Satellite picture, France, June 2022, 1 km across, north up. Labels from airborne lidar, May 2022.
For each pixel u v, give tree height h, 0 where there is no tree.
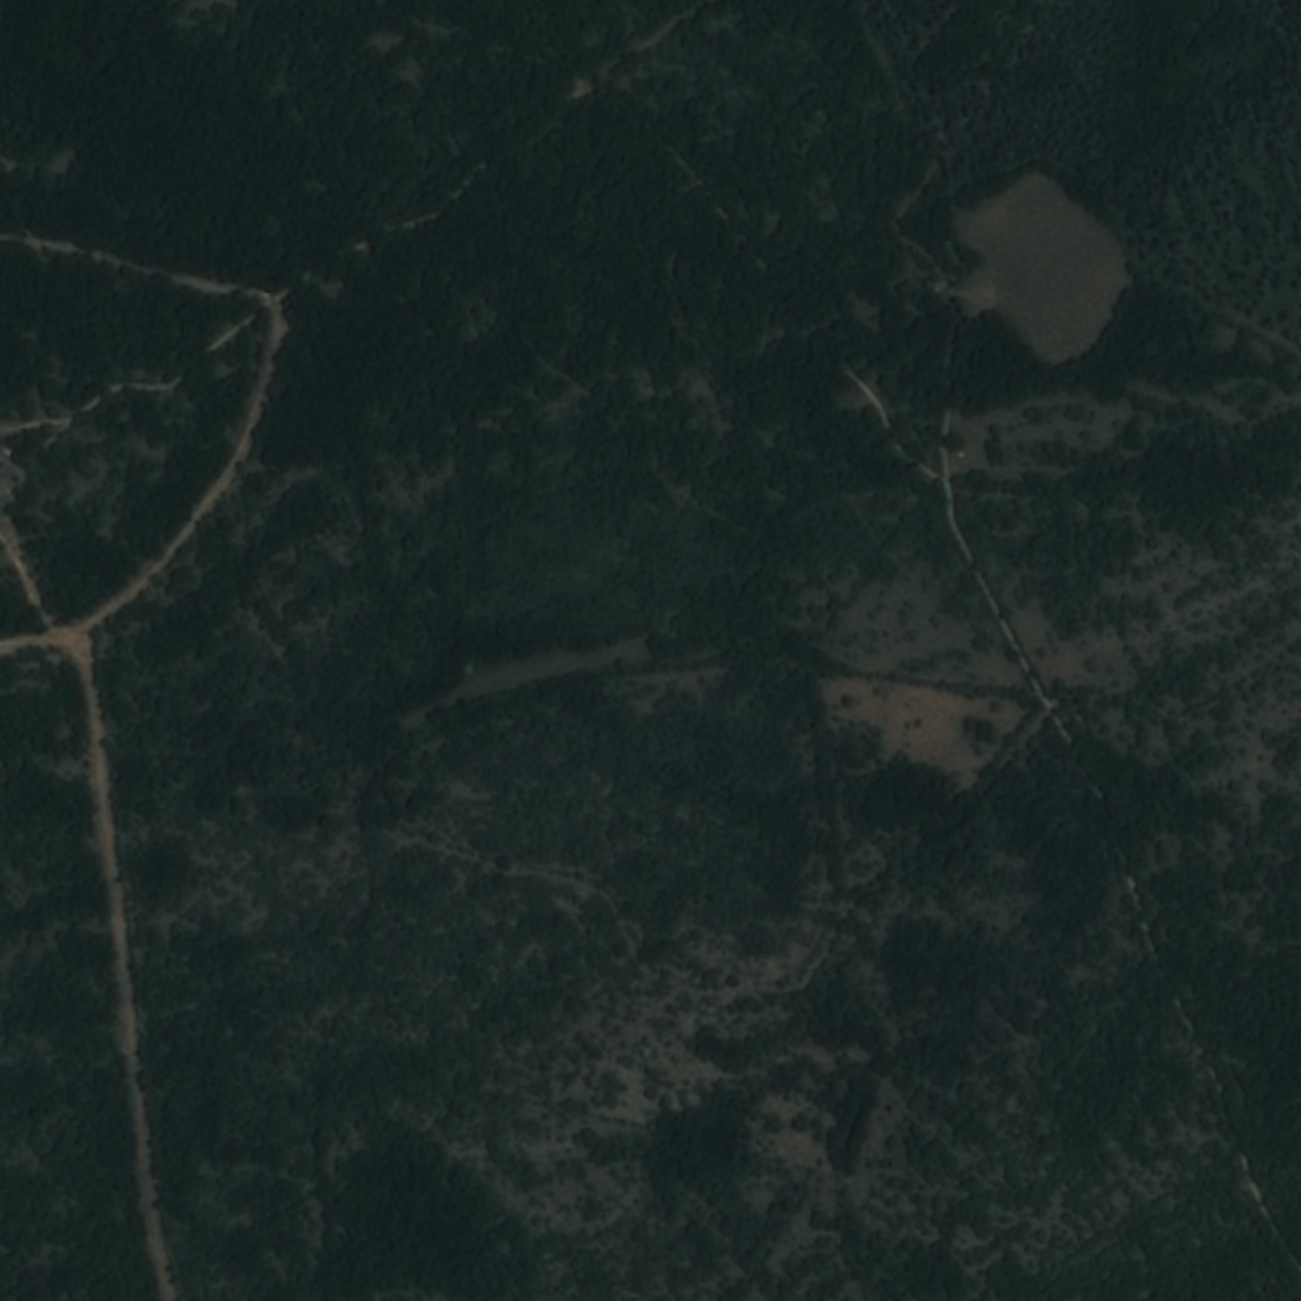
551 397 6
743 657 9
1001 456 7
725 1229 9
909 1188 6
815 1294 7
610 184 9
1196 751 7
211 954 10
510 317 8
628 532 8
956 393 11
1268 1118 8
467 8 11
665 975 8
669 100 7
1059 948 8
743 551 8
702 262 12
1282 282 10
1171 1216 7
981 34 9
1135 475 8
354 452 7
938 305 13
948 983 10
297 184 11
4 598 8
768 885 10
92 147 14
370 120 10
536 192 11
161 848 11
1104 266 0
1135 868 8
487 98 9
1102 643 0
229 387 9
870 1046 10
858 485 8
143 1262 8
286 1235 9
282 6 10
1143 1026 11
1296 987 5
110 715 6
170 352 8
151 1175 9
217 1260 6
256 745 10
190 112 9
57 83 14
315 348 10
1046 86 8
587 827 6
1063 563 7
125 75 14
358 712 12
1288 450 8
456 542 7
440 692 9
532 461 10
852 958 7
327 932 7
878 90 7
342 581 10
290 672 6
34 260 11
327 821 10
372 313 9
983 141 16
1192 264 17
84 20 8
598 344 9
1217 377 9
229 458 9
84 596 7
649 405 8
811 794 8
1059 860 9
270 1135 8
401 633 9
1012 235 0
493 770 6
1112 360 13
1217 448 8
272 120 8
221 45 7
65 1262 7
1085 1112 8
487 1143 6
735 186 10
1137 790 8
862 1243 8
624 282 10
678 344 8
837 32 14
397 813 9
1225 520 7
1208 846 6
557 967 10
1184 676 7
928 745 0
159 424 10
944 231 9
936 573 6
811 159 9
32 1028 9
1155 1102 8
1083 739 7
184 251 10
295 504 10
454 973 6
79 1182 8
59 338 11
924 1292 9
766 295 12
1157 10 14
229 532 11
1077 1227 6
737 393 6
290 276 9
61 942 7
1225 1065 6
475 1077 7
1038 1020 7
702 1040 10
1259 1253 10
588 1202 6
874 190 11
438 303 12
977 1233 7
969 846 10
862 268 10
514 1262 10
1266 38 10
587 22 10
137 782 10
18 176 8
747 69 9
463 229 11
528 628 6
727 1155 6
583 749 5
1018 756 10
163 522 9
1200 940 6
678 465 8
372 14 12
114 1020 8
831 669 6
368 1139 6
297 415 12
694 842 7
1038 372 13
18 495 9
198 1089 6
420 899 6
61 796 8
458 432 9
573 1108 7
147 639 9
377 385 6
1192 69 8
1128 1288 7
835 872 10
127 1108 7
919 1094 8
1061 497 6
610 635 7
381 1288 10
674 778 7
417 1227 16
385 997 7
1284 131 14
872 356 10
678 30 8
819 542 7
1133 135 14
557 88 9
